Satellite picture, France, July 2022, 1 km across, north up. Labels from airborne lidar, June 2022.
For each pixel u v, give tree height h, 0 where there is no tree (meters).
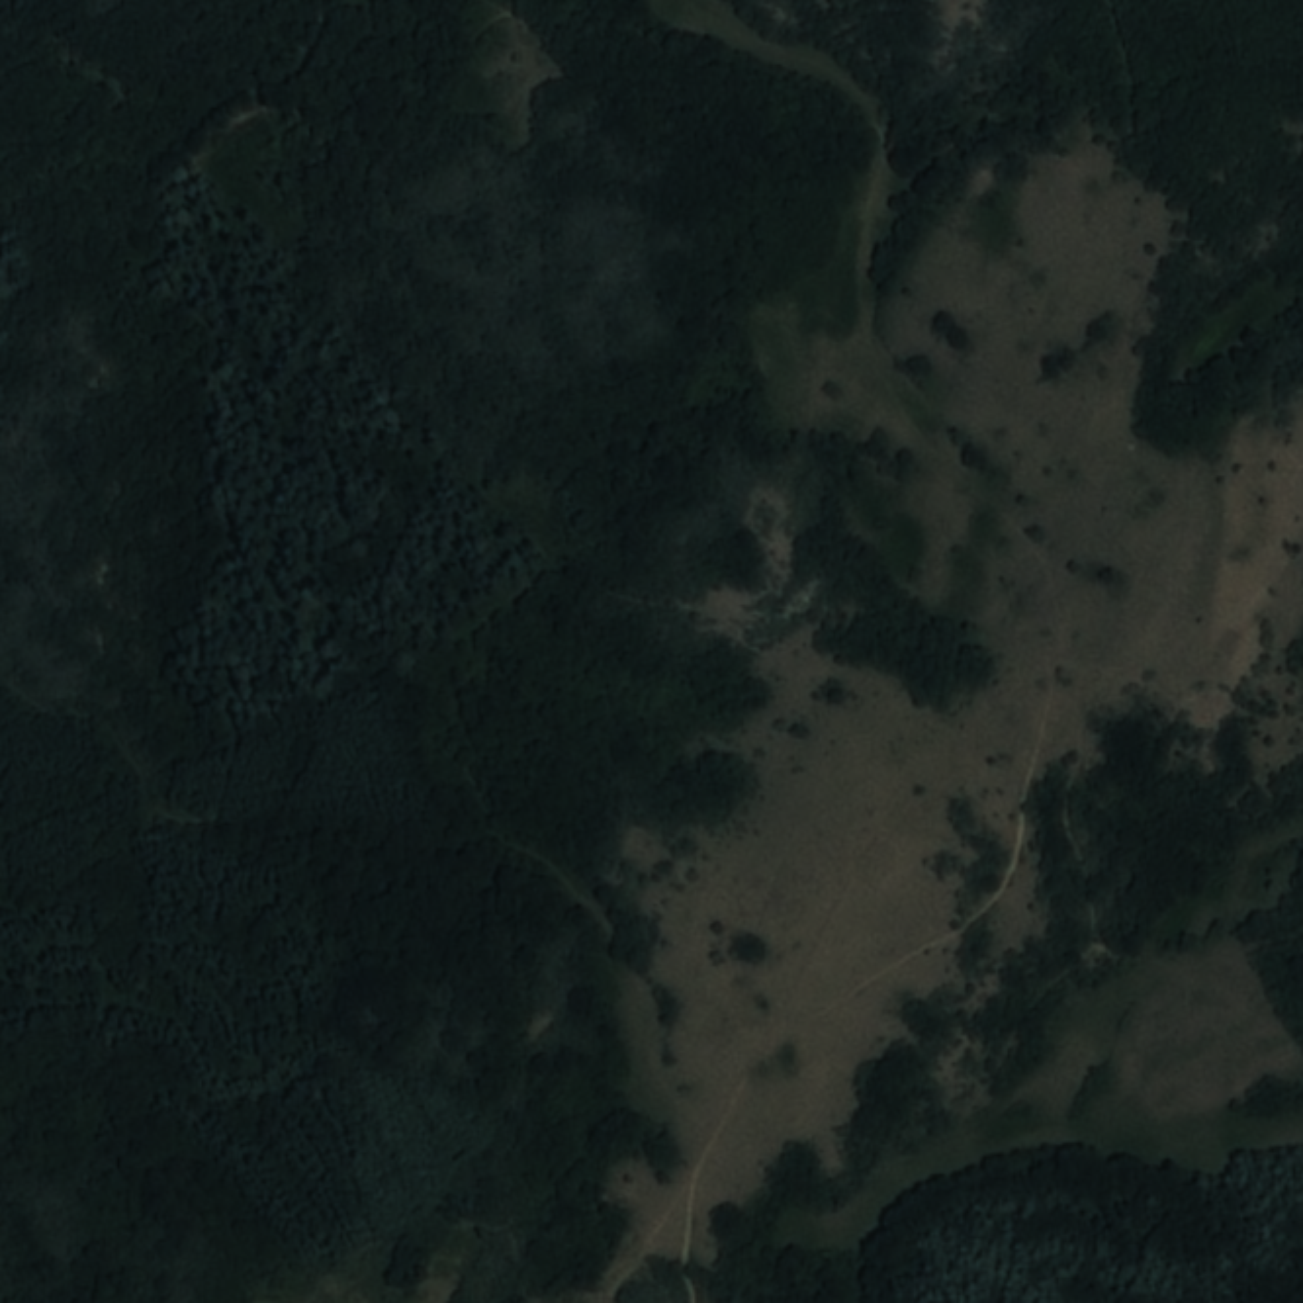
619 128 15
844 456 7
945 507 0
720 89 18
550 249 8
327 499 33
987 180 0
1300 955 8
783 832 0
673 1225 0
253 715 29
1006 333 0
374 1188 13
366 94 20
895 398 0
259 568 34
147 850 20
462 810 11
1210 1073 0
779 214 9
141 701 12
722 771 11
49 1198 6
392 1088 10
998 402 0
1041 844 7
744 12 10
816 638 6
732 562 7
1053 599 0
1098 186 0
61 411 8
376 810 22
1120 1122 0
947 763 0
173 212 27
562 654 8
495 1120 6
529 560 23
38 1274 11
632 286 8
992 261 0
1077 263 0
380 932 9
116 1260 17
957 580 0
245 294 25
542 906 21
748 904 0
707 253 13
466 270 5
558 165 6
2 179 12
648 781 9
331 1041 9
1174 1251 19
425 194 6
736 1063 0
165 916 20
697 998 0
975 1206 17
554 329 7
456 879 21
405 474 7
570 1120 14
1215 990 0
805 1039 0
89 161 8
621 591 7
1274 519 0
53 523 10
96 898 10
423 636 22
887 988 0
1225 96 11
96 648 5
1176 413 19
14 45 9
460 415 7
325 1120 20
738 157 12
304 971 11
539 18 14
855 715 0
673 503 10
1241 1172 19
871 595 7
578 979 8
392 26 17
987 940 7
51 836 9
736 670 11
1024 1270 20
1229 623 0
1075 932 8
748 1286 7
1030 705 0
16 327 9
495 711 12
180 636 33
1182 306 10
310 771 21
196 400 9
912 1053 9
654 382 16
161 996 8
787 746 0
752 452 13
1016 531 0
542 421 6
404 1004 18
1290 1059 0
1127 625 0
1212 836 12
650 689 7
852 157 12
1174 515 0
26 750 12
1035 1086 0
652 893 0
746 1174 0
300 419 17
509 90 0
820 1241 0
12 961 7
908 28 7
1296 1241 14
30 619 7
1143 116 12
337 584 22
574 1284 10
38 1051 8
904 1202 18
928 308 0
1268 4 11
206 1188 16
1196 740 9
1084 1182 16
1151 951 0
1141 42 15
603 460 6
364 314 11
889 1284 19
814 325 0
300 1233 18
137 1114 13
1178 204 10
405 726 15
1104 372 0
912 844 0
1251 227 9
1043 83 11
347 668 25
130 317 17
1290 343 8
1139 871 12
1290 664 9
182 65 12
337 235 6
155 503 12
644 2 11
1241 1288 21
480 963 16
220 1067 11
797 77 10
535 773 12
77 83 15
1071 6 8
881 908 0
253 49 18
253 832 18
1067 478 0
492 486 16
